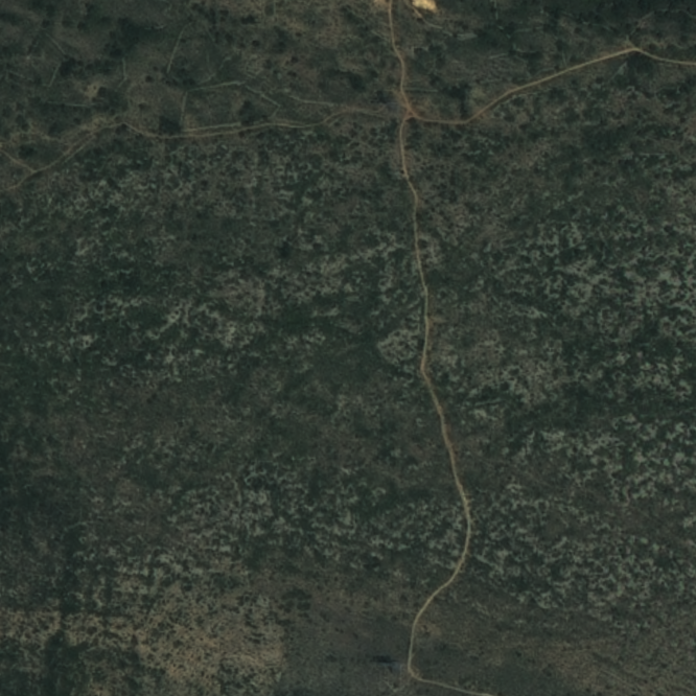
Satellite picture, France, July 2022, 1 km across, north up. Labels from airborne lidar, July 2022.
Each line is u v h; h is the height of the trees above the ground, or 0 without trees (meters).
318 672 0
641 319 0
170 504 0
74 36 0
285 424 0
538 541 0
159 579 0
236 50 0
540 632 0
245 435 0
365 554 0
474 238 0
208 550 0
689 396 0
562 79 0
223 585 0
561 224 0
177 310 0
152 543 0
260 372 0
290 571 0
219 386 0
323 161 0
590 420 0
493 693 0
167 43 0
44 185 0
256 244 0
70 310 0
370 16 0
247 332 0
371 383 0
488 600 0
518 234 0
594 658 0
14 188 0
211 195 0
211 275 0
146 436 0
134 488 0
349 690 0
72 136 0
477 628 0
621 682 0
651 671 0
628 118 0
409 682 0
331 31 0
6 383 0
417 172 0
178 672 0
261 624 0
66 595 0
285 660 0
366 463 0
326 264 0
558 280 0
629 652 0
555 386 0
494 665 0
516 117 0
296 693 0
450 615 0
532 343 0
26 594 0
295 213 0
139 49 0
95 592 0
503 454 0
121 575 0
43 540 0
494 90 0
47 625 0
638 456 0
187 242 0
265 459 0
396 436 0
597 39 0
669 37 0
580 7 0
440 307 0
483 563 0
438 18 0
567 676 0
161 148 0
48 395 0
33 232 0
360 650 0
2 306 0
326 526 0
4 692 0
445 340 0
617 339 0
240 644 0
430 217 0
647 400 0
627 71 0
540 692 0
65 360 0
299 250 0
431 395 0
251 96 0
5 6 0
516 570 0
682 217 0
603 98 0
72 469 0
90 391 0
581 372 0
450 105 0
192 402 0
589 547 0
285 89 0
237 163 0
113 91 0
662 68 0
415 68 0
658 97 0
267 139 0
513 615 0
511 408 0
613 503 0
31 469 0
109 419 0
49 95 0
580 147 0
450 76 0
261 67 0
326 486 0
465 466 0
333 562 0
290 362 0
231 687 0
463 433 0
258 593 0
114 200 0
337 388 0
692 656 0
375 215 0
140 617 0
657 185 0
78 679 0
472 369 0
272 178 0
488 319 0
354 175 0
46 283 0
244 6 0
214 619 0
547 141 0
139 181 0
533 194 0
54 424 0
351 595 0
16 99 0
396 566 0
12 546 0
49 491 0
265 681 0
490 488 0
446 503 0
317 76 0
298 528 0
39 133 0
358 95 0
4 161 0
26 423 0
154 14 0
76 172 0
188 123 0
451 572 0
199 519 0
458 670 0
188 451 0
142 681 0
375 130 0
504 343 0
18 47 0
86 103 0
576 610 0
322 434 0
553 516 0
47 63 0
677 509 0
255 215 0
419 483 0
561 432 0
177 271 0
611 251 0
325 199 0
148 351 0
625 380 0
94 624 0
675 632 0
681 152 0
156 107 0
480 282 0
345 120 0
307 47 0
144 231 0
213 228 0
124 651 0
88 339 0
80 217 0
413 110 0
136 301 0
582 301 0
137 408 0
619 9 7
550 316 0
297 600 0
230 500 0
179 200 0
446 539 0
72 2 0
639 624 0
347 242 0
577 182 0
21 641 0
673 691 0
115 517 0
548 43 0
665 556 0
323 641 0
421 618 0
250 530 0
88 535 0
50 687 0
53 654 0
